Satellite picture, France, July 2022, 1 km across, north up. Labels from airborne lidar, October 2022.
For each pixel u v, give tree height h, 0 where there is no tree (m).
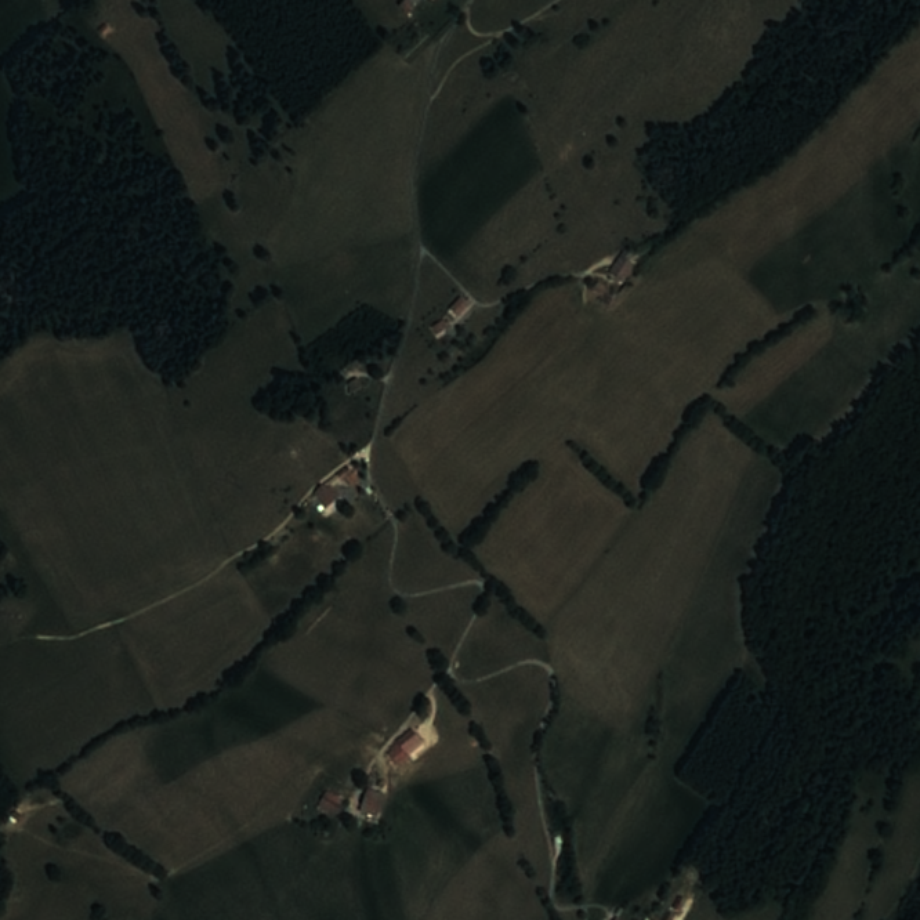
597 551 0
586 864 0
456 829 0
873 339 0
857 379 0
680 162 17
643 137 0
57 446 0
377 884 0
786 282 0
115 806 0
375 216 0
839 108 15
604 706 0
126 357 0
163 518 0
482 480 0
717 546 0
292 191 0
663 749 0
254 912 0
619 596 0
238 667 9
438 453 0
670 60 0
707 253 0
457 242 0
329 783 0
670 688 0
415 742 0
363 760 0
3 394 0
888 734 31
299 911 0
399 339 19
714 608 0
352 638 0
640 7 0
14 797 22
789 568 27
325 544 0
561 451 0
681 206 14
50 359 0
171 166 6
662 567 0
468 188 0
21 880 0
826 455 26
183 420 0
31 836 0
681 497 0
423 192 0
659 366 0
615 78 0
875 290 0
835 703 34
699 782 22
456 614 0
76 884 0
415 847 0
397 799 0
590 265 0
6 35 0
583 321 0
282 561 0
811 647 32
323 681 0
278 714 0
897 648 25
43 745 0
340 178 0
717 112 18
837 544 35
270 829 0
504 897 0
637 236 0
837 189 0
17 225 29
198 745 0
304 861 0
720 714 20
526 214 0
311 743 0
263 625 0
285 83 15
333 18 12
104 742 10
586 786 0
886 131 0
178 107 0
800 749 25
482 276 0
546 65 0
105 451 0
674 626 0
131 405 0
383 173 0
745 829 26
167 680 0
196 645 0
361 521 0
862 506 30
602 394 0
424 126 0
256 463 0
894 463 28
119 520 0
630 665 0
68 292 19
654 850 0
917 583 22
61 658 0
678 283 0
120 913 0
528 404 0
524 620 18
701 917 0
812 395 0
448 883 0
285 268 0
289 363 0
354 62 14
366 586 0
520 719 0
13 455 0
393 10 0
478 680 0
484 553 0
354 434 0
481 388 0
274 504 0
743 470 0
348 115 0
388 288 0
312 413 13
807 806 27
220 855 0
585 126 0
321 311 0
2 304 22
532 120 0
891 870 0
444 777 0
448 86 0
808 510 24
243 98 13
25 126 25
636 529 0
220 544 0
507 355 0
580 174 0
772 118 23
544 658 0
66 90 14
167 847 0
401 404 0
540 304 0
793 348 0
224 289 10
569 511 0
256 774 0
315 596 17
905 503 29
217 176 0
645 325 0
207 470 0
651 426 0
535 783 0
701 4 0
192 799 0
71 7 26
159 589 0
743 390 0
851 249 0
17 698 0
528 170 0
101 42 0
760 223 0
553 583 0
